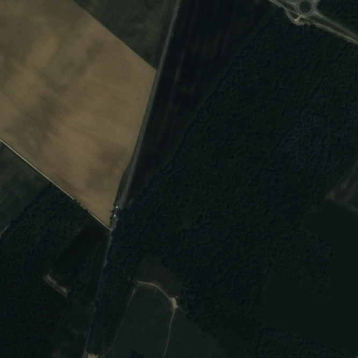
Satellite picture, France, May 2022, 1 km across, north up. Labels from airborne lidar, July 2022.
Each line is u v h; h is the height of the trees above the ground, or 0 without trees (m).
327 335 0
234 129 25
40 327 23
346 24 7
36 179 0
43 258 29
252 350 8
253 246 23
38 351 28
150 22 0
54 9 0
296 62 29
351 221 0
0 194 0
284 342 24
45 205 15
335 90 19
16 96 0
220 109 24
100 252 0
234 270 27
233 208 20
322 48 21
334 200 0
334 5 23
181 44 0
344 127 23
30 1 0
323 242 20
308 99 23
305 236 25
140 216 25
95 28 0
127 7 0
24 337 18
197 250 25
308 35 27
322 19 0
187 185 21
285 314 0
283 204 29
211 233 27
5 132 0
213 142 24
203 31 0
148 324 0
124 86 0
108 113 0
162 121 0
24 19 0
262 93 26
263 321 8
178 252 14
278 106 24
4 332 26
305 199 27
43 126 0
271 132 27
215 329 13
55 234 28
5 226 0
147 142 0
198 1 0
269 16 0
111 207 0
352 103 29
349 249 0
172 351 0
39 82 0
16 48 0
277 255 23
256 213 27
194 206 24
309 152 28
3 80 0
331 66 23
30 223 19
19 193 0
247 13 0
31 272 18
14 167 0
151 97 0
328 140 26
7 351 27
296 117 22
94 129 0
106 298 27
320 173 23
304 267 27
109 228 0
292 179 24
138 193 0
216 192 26
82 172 0
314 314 0
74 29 0
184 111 0
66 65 0
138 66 0
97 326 24
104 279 17
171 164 11
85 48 0
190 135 21
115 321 12
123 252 24
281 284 0
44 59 0
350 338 0
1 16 0
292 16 0
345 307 0
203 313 12
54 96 0
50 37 0
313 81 23
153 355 0
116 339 0
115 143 0
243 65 23
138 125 0
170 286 0
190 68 0
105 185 0
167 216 24
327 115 28
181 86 0
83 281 19
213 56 0
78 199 0
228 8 0
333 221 0
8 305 21
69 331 0
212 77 0
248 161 22
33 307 20
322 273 25
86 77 0
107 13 0
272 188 26
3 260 25
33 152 0
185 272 20
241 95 28
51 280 0
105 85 0
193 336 0
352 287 0
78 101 0
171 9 0
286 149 32
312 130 24
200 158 25
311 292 12
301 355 21
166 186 24
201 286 28
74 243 0
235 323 11
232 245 24
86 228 0
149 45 0
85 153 0
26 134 0
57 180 0
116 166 0
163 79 0
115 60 0
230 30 0
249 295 22
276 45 26
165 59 0
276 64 26
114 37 0
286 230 26
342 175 21
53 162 0
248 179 21
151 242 23
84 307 0
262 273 17
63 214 25
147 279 0
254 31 0
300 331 0
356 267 0
